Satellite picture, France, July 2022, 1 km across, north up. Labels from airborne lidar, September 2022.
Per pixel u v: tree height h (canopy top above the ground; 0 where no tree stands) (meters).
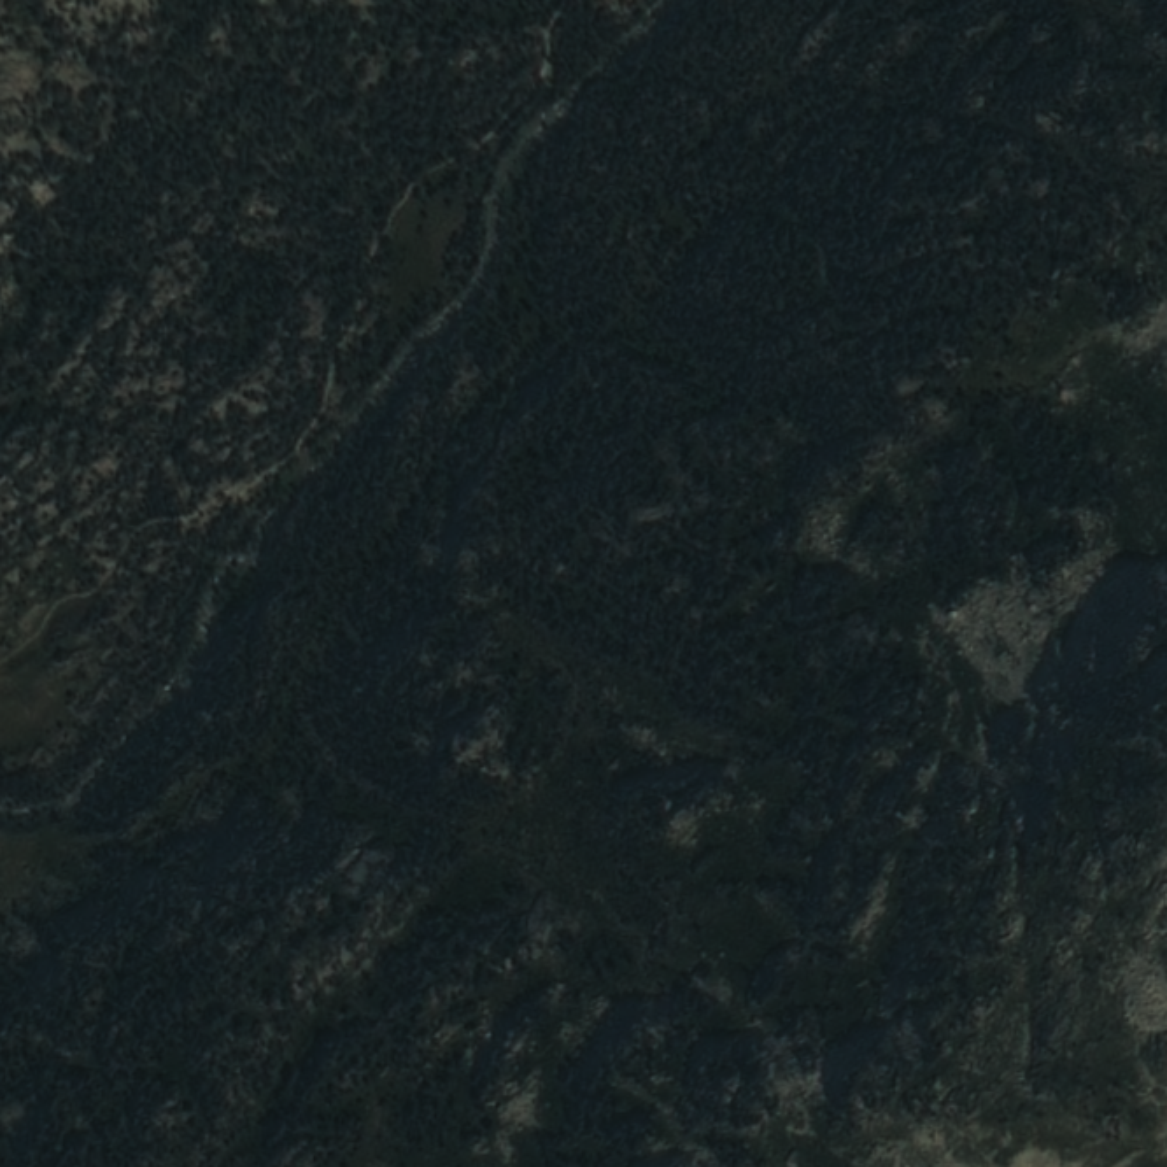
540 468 13
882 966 0
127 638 10
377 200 10
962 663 0
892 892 0
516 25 10
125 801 10
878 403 8
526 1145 0
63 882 0
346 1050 10
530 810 0
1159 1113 0
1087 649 7
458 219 0
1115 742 10
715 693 14
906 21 7
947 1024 0
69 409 7
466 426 8
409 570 12
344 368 12
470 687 7
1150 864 0
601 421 20
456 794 8
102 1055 12
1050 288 8
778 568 12
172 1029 8
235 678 11
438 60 13
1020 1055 0
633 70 12
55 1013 14
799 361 6
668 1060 0
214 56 14
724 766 9
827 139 10
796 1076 0
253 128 9
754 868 0
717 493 8
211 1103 11
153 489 9
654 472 10
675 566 7
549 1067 0
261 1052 12
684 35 9
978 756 0
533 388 8
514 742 15
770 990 12
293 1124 10
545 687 7
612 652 19
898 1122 0
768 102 9
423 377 9
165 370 9
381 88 15
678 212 0
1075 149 0
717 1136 7
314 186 10
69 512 12
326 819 9
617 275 10
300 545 9
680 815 0
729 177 10
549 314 9
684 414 8
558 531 10
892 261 11
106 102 8
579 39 7
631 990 0
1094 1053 0
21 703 0
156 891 7
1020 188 11
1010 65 9
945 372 11
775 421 10
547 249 21
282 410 12
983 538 7
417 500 13
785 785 0
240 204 14
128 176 16
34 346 10
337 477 11
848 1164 0
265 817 6
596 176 9
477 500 9
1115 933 0
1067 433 7
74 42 9
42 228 20
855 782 11
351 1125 10
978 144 12
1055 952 0
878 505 9
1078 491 10
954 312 14
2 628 0
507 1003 0
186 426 12
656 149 7
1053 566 6
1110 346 0
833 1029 0
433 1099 8
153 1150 11
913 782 11
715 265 6
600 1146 0
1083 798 0
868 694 11
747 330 12
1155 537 0
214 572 20
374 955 8
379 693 7
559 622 15
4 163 7
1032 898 0
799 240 12
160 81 16
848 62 9
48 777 20
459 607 10
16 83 0
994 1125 0
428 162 11
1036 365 0
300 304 6
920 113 7
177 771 7
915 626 0
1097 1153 0
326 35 9
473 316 11
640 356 14
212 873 7
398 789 9
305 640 7
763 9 8
